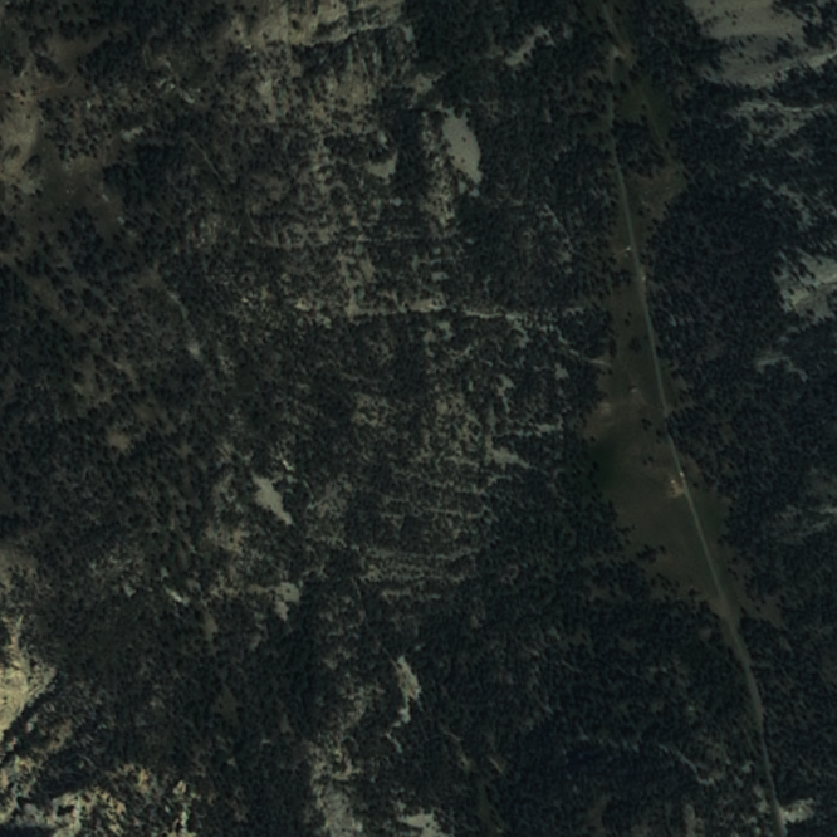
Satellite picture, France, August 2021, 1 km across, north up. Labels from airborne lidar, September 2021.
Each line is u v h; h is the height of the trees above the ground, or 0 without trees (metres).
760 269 7
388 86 7
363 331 9
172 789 13
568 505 9
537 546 12
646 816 10
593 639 9
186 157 7
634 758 11
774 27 0
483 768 12
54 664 10
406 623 8
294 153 9
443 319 10
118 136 0
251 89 11
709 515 0
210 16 11
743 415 11
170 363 6
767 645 9
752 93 6
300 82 12
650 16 7
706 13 0
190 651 11
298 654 17
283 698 11
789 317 7
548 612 10
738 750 10
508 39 14
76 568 11
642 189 0
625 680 15
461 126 0
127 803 11
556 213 7
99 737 12
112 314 6
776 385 9
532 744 11
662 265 6
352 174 10
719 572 0
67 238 8
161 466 6
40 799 9
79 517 7
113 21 10
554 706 10
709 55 6
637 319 0
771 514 11
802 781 9
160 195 9
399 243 8
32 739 13
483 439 7
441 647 8
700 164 11
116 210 0
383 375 13
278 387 9
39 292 0
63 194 0
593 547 13
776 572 7
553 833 9
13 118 0
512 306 15
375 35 8
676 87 10
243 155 11
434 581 9
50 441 11
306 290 9
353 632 9
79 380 15
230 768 21
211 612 6
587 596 8
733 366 6
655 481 0
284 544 15
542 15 12
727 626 0
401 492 9
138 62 10
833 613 9
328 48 7
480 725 10
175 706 11
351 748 11
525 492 11
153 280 0
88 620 12
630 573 10
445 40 7
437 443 9
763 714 0
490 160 7
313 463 13
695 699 13
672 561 0
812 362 8
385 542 8
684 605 7
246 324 6
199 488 10
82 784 13
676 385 0
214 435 10
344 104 8
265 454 11
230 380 9
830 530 7
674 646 14
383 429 6
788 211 7
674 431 15
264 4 0
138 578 11
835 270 0
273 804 14
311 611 12
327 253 11
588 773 7
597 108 9
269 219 9
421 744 11
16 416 8
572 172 11
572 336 12
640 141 13
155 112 7
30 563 0
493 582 10
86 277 8
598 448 0
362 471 7
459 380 12
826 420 7
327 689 10
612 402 0
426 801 8
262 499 0
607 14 0
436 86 11
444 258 11
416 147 11
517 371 10
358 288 7
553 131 12
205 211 12
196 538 10
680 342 14
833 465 8
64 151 13
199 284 15
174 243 10
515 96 6
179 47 10
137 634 11
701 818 9
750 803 10
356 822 0
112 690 10
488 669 13
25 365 11
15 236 12
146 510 7
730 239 13
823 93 8
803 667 16
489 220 8
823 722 13
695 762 13
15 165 0
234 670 11
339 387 11
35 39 7
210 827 12
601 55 12
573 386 11
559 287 11
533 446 11
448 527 7
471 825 12
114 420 9
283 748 6
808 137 9
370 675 6
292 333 11
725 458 12
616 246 0
